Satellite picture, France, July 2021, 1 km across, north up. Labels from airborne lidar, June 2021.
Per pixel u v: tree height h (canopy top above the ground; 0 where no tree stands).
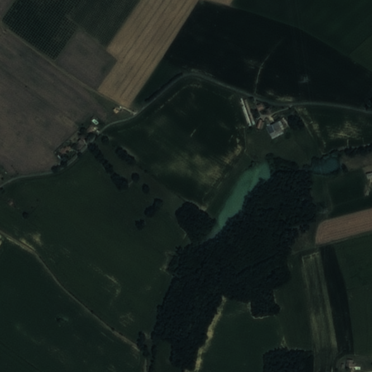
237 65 0
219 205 0
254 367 0
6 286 0
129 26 0
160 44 0
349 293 0
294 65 0
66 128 0
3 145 0
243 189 0
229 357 0
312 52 0
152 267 0
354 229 0
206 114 0
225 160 0
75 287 0
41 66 0
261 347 0
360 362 0
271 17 0
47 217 0
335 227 0
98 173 0
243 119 0
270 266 19
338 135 0
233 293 17
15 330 0
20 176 0
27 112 0
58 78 0
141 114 0
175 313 18
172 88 0
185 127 0
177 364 22
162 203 15
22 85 0
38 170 0
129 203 0
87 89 0
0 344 0
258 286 22
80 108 0
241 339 0
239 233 17
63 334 0
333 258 0
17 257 0
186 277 20
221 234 12
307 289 0
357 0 0
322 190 0
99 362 0
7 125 0
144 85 0
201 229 22
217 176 0
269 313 9
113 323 0
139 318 0
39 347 0
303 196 22
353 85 0
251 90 0
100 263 0
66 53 0
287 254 12
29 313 0
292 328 0
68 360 0
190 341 24
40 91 0
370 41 0
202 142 0
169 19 0
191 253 21
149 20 0
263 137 0
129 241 0
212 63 0
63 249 0
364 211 0
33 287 0
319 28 0
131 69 0
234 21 0
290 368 23
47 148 0
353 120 0
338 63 0
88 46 0
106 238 0
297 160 0
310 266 0
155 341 21
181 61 0
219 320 0
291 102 0
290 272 12
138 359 0
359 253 0
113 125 0
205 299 19
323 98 0
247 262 9
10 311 0
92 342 0
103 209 0
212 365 0
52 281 0
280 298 0
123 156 22
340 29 0
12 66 0
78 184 0
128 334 0
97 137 14
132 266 0
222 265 19
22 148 0
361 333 0
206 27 0
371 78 0
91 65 0
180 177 0
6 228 0
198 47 0
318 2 0
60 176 0
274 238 8
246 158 0
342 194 0
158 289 0
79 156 12
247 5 0
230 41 0
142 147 0
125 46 0
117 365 0
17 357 0
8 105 0
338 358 0
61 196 0
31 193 0
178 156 0
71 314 0
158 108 0
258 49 0
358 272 0
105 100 0
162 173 0
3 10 0
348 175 0
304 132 0
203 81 0
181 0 0
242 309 0
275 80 0
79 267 0
